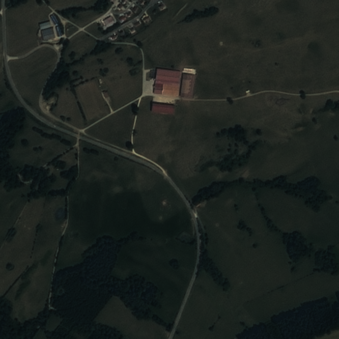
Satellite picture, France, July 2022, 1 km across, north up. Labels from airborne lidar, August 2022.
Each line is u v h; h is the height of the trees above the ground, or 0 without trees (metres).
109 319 0
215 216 0
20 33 0
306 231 0
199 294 0
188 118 0
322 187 0
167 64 0
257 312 0
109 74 0
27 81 0
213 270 21
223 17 0
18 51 0
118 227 0
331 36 0
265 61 0
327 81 0
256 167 0
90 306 9
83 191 0
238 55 0
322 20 0
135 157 0
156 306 22
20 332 23
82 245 0
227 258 0
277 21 0
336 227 0
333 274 6
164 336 0
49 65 0
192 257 0
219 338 0
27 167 17
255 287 0
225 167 10
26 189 0
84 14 0
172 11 0
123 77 0
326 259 17
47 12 0
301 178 0
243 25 0
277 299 0
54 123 0
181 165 0
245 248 0
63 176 14
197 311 0
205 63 0
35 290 0
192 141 0
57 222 0
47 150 0
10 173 17
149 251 0
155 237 0
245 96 0
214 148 0
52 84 12
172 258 0
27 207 0
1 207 0
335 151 0
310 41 0
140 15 0
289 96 0
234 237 0
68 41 14
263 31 0
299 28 0
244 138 11
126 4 0
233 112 0
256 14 0
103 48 13
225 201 0
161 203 0
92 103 0
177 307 0
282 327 26
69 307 9
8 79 0
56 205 0
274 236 0
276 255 0
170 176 0
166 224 0
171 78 0
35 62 0
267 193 0
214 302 0
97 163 0
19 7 0
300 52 0
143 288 25
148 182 0
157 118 0
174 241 0
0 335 22
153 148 0
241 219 0
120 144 0
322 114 0
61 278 26
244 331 0
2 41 0
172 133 0
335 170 0
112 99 0
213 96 0
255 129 0
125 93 0
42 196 9
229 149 8
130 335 0
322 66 0
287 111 0
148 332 0
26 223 0
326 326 29
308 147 0
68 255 0
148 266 0
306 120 0
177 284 0
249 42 0
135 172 0
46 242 0
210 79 0
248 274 0
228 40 0
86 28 0
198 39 0
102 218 0
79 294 9
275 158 0
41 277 0
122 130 0
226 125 0
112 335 12
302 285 0
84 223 0
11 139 18
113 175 0
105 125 0
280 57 0
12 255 0
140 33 0
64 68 10
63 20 0
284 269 0
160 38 0
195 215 0
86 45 0
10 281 0
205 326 0
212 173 0
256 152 0
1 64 0
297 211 0
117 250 24
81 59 6
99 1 7
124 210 0
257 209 0
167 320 0
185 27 0
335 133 0
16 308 0
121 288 24
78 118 0
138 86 0
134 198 0
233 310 0
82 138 0
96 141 0
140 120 0
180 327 0
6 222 0
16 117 22
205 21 0
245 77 0
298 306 0
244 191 0
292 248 29
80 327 17
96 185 0
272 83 0
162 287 0
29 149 0
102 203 0
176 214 0
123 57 0
